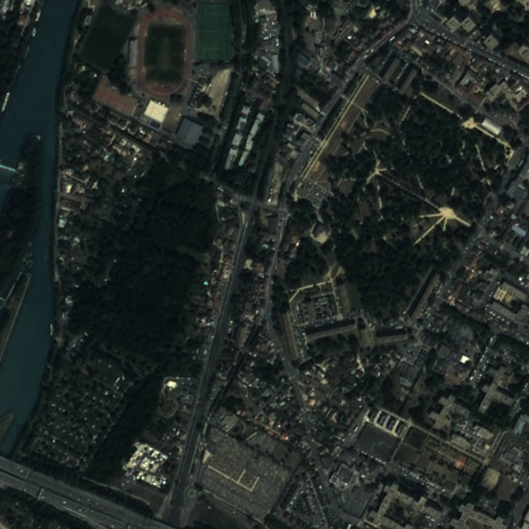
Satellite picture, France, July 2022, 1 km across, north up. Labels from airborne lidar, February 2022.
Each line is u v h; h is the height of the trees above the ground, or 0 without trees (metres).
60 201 0
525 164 0
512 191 0
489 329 20
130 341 14
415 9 0
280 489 0
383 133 0
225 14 0
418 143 17
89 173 8
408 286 15
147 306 19
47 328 0
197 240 22
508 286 0
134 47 0
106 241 13
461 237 18
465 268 6
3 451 0
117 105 0
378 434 0
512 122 0
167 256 10
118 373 0
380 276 20
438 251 13
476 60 0
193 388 6
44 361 0
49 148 0
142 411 15
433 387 12
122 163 11
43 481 0
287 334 0
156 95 0
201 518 0
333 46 14
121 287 17
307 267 21
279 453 0
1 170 0
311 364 9
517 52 0
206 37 0
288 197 14
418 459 0
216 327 0
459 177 16
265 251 8
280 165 0
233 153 0
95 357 15
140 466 0
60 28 0
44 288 0
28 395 0
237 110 15
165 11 0
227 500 0
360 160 20
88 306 19
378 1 20
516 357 9
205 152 15
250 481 0
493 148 21
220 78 0
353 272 20
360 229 19
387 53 13
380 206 0
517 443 0
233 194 0
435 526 0
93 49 0
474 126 0
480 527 0
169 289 10
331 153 0
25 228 16
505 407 9
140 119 0
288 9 12
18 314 0
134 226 8
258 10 0
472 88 0
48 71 0
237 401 11
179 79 0
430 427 15
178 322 9
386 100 23
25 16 0
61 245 14
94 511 0
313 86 7
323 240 0
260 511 0
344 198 19
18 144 0
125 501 14
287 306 16
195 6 12
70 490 0
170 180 0
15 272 0
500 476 0
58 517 12
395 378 0
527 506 0
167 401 0
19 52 15
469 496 10
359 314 0
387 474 0
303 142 0
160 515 0
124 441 16
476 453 0
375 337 0
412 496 0
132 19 0
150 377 10
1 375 0
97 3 0
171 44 0
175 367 13
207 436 6
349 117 0
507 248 0
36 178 0
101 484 0
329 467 0
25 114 0
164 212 18
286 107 12
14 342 0
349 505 0
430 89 19
